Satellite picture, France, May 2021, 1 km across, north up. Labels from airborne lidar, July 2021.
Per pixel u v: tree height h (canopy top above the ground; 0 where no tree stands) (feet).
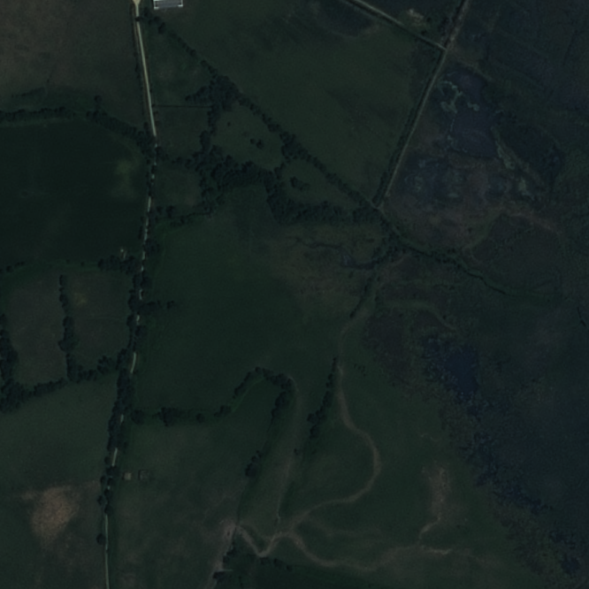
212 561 0
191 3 0
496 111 0
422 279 0
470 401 0
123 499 0
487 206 0
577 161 22
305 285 0
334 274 0
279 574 0
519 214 0
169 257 0
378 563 0
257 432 0
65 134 0
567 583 0
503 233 0
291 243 0
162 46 0
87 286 0
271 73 0
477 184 0
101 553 0
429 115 0
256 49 0
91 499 0
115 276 0
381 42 0
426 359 0
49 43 0
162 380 0
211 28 0
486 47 0
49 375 0
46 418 0
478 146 0
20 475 0
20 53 0
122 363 53
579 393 0
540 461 0
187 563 0
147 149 50
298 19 0
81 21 0
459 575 0
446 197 0
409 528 0
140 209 0
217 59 0
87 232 0
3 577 0
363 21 0
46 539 0
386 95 0
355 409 0
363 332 0
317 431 38
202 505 0
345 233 0
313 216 42
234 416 0
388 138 0
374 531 0
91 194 0
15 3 0
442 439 0
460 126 0
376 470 0
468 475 0
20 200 0
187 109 0
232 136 0
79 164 0
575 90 0
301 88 0
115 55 0
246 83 0
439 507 0
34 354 0
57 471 0
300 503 0
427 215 0
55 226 0
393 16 0
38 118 32
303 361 0
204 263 0
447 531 0
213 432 0
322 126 0
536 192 0
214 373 0
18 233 0
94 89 0
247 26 0
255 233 0
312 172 0
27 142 0
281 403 52
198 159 71
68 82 0
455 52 0
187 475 0
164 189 0
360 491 0
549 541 0
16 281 0
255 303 0
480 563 0
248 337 0
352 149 0
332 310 0
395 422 0
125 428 39
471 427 0
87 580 0
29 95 21
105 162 0
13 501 0
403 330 0
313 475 0
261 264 0
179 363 0
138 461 0
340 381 0
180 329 0
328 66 0
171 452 0
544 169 0
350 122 0
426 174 0
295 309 0
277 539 0
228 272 0
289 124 0
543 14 0
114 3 0
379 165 0
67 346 54
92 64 0
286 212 43
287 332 0
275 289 0
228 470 0
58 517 0
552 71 0
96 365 0
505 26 0
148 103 0
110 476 52
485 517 0
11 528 0
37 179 0
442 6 0
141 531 0
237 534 0
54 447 0
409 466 0
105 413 0
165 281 0
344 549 0
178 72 0
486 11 0
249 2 0
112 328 0
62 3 0
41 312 0
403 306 0
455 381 0
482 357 0
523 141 0
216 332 0
